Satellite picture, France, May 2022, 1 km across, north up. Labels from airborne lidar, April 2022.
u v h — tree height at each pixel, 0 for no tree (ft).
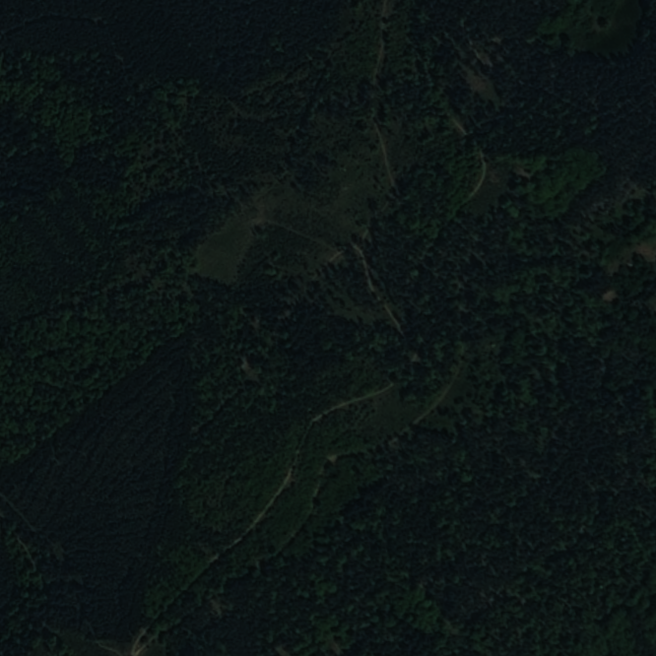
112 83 64
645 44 88
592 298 115
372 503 116
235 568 28
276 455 27
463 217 109
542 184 105
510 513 109
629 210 86
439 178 49
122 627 56
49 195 42
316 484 35
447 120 81
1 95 75
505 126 83
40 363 74
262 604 96
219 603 74
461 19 74
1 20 58
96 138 65
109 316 78
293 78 19
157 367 44
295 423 25
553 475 103
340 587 63
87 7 68
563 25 32
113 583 68
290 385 36
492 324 115
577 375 128
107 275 28
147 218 74
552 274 72
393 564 84
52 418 78
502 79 116
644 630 102
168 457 51
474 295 93
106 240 50
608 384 74
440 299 88
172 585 51
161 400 73
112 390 52
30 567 82
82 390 67
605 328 118
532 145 87
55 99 73
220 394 31
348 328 78
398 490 95
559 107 91
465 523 100
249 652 90
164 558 38
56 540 71
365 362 27
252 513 23
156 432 74
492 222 95
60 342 62
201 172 21
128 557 56
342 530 102
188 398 60
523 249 85
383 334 40
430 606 104
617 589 95
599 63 89
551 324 95
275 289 22
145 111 69
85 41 69
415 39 81
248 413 45
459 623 106
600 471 103
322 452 32
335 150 19
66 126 68
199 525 29
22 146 76
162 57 59
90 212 54
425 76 75
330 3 62
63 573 99
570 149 96
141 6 59
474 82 0
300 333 73
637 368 95
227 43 62
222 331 36
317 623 73
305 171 86
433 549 101
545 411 118
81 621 94
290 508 30
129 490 56
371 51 28
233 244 0
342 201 0
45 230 54
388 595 81
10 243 42
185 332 54
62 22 56
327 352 79
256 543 42
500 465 107
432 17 87
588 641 124
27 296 39
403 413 0
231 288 26
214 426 49
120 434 78
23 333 57
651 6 75
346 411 28
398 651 100
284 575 88
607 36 0
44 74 63
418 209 43
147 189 20
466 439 115
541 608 107
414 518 100
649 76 91
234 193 90
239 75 65
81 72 72
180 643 39
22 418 58
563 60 102
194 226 71
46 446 52
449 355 98
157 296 72
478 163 38
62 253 33
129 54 51
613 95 86
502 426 118
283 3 72
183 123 22
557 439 115
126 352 56
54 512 62
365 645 95
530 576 94
